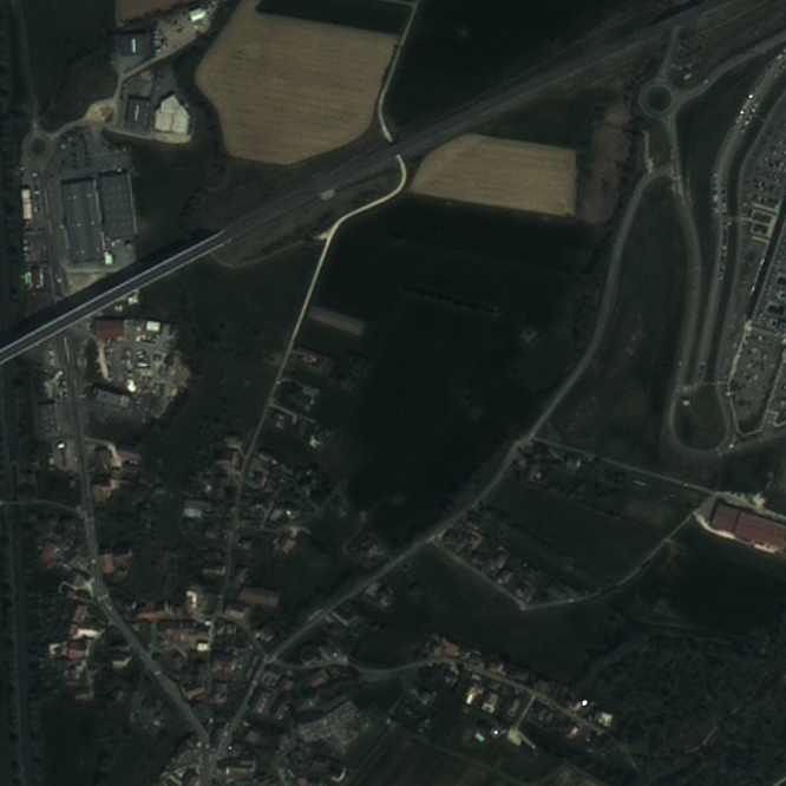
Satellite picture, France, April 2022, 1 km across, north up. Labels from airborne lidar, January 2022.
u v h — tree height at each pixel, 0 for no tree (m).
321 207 0
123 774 0
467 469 0
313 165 0
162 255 0
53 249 0
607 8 0
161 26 0
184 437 0
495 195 0
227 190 0
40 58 0
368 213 0
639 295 0
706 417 0
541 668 0
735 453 0
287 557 0
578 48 0
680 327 0
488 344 0
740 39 0
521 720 0
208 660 0
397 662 0
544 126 0
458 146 0
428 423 0
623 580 0
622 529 0
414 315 0
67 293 0
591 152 9
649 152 0
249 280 0
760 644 0
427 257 0
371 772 0
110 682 6
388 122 0
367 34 0
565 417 0
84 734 0
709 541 0
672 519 0
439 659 0
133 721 0
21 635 0
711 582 0
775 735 26
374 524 0
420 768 0
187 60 13
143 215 0
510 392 0
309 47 0
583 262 0
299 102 0
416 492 0
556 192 0
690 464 0
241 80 0
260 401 0
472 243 0
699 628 0
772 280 0
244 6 0
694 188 0
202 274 0
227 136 0
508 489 0
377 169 0
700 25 0
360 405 0
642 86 0
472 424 0
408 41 0
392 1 0
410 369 0
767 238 0
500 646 0
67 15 0
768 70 0
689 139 0
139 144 0
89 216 0
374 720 0
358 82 0
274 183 0
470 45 0
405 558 0
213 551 8
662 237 0
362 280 0
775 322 0
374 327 0
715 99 0
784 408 0
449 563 0
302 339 0
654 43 0
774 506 0
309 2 0
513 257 0
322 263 0
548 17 0
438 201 0
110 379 0
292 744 0
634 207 0
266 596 0
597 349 0
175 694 0
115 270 0
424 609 0
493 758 0
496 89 0
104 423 0
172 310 0
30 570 9
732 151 0
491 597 0
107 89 0
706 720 27
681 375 0
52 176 0
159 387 0
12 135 14
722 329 0
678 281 0
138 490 16
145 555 0
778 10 0
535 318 0
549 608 0
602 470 6
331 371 0
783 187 0
